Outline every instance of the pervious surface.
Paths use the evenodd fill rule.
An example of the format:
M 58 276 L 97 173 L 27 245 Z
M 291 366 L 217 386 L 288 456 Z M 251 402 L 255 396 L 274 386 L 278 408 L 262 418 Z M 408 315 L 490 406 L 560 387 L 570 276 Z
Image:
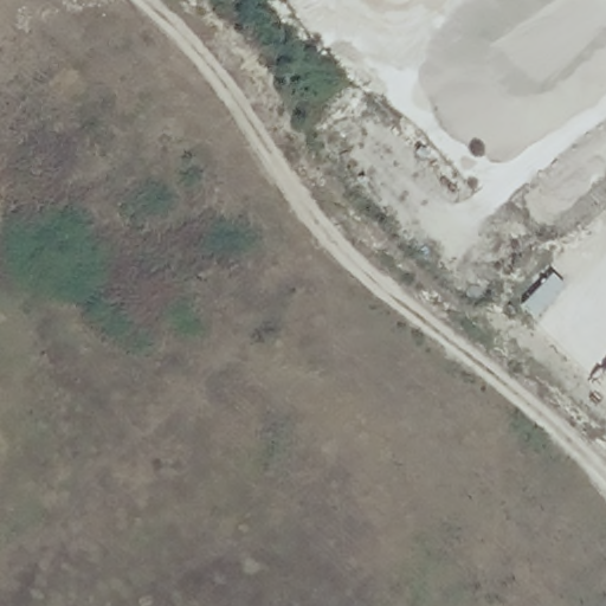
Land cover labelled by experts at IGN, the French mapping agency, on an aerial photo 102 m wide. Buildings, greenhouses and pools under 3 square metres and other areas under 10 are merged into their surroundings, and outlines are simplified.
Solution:
M 589 225 L 563 237 L 566 253 L 554 260 L 554 275 L 544 279 L 544 284 L 523 303 L 523 308 L 533 315 L 530 324 L 509 320 L 504 315 L 504 308 L 492 303 L 488 305 L 490 327 L 497 329 L 504 339 L 516 339 L 521 348 L 528 348 L 530 355 L 547 365 L 552 374 L 561 379 L 566 388 L 573 391 L 580 400 L 589 393 L 599 393 L 601 398 L 606 398 L 606 208 Z
M 412 327 L 433 339 L 447 353 L 447 357 L 457 360 L 469 372 L 481 376 L 488 386 L 492 386 L 516 407 L 537 426 L 542 426 L 549 438 L 585 469 L 585 473 L 606 497 L 606 440 L 587 440 L 578 431 L 573 431 L 535 393 L 526 391 L 521 381 L 516 381 L 495 360 L 490 360 L 481 346 L 466 341 L 443 320 L 438 320 L 428 308 L 419 305 L 402 289 L 402 284 L 383 275 L 379 267 L 374 267 L 365 256 L 360 256 L 346 241 L 341 227 L 336 227 L 331 218 L 327 218 L 320 211 L 310 192 L 296 178 L 284 154 L 275 144 L 272 135 L 267 133 L 265 123 L 258 118 L 239 85 L 232 80 L 232 76 L 213 59 L 206 45 L 199 40 L 199 36 L 161 0 L 133 0 L 142 9 L 142 14 L 147 14 L 196 64 L 204 78 L 213 85 L 213 90 L 232 111 L 237 125 L 246 135 L 251 152 L 258 154 L 263 170 L 284 192 L 291 211 L 317 237 L 320 246 L 327 249 L 376 298 L 381 298 Z
M 322 54 L 331 54 L 343 66 L 348 78 L 355 83 L 372 78 L 369 90 L 374 95 L 386 95 L 386 99 L 402 114 L 402 118 L 395 128 L 381 125 L 379 116 L 367 121 L 365 149 L 353 152 L 353 159 L 360 166 L 355 170 L 355 178 L 350 180 L 353 187 L 362 187 L 365 196 L 379 204 L 391 215 L 398 218 L 400 234 L 407 241 L 419 244 L 421 239 L 436 239 L 440 244 L 440 253 L 445 253 L 447 258 L 464 256 L 471 244 L 478 244 L 481 223 L 488 215 L 492 215 L 502 204 L 507 204 L 509 196 L 530 178 L 537 182 L 537 189 L 528 194 L 528 211 L 533 220 L 537 220 L 540 225 L 552 225 L 561 211 L 570 208 L 578 201 L 578 196 L 582 196 L 597 180 L 606 175 L 606 0 L 272 0 L 270 7 L 279 14 L 279 21 L 294 26 L 301 40 L 310 40 L 317 33 L 322 38 L 317 50 Z

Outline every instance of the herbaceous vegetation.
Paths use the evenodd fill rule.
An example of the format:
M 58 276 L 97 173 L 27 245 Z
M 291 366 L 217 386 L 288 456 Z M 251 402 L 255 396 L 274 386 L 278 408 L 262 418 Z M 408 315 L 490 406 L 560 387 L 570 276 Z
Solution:
M 374 95 L 369 90 L 372 78 L 355 83 L 329 104 L 329 114 L 322 123 L 317 123 L 322 149 L 308 154 L 305 135 L 291 125 L 294 109 L 277 92 L 272 71 L 258 62 L 258 52 L 244 43 L 241 33 L 234 31 L 232 24 L 223 21 L 213 12 L 208 0 L 161 0 L 199 36 L 199 40 L 206 45 L 213 59 L 232 76 L 232 80 L 239 85 L 258 118 L 265 123 L 267 133 L 272 135 L 275 144 L 284 154 L 296 178 L 310 192 L 320 211 L 327 218 L 331 218 L 336 227 L 341 227 L 346 241 L 360 256 L 365 256 L 374 267 L 379 267 L 383 275 L 402 284 L 402 289 L 419 305 L 428 308 L 438 320 L 443 320 L 466 341 L 481 346 L 490 360 L 495 360 L 516 381 L 521 381 L 526 391 L 535 393 L 573 431 L 578 431 L 587 440 L 606 440 L 606 398 L 601 398 L 599 393 L 589 393 L 580 400 L 573 391 L 566 388 L 561 379 L 552 374 L 547 365 L 530 355 L 528 348 L 521 348 L 516 339 L 504 339 L 497 329 L 490 327 L 488 305 L 462 305 L 457 298 L 462 291 L 481 296 L 492 279 L 499 279 L 502 294 L 492 298 L 492 303 L 504 308 L 504 315 L 509 320 L 530 324 L 533 315 L 523 308 L 523 303 L 544 284 L 544 279 L 554 275 L 554 260 L 566 253 L 563 237 L 589 225 L 606 208 L 606 175 L 597 180 L 582 196 L 578 196 L 578 201 L 570 208 L 561 211 L 552 225 L 540 225 L 537 220 L 533 220 L 528 211 L 528 194 L 537 189 L 537 182 L 530 178 L 509 196 L 507 204 L 502 204 L 492 215 L 488 215 L 481 223 L 478 244 L 471 244 L 464 256 L 447 258 L 445 253 L 440 253 L 440 244 L 436 239 L 421 239 L 419 244 L 407 241 L 400 234 L 398 218 L 391 215 L 386 223 L 379 225 L 367 215 L 357 213 L 350 199 L 343 196 L 353 187 L 350 180 L 355 178 L 355 170 L 360 166 L 353 159 L 353 152 L 365 149 L 367 121 L 379 116 L 381 125 L 395 128 L 402 118 L 402 114 L 386 99 L 386 95 Z
M 251 152 L 246 135 L 237 125 L 232 111 L 213 90 L 213 85 L 204 78 L 196 64 L 147 14 L 142 14 L 142 9 L 133 0 L 0 0 L 0 227 L 7 220 L 38 218 L 45 213 L 45 206 L 52 206 L 52 211 L 62 215 L 66 215 L 73 206 L 88 211 L 88 225 L 95 227 L 95 239 L 109 246 L 107 270 L 111 275 L 104 284 L 104 298 L 118 298 L 118 308 L 133 315 L 135 322 L 123 339 L 111 341 L 104 334 L 92 331 L 88 324 L 83 324 L 83 308 L 62 301 L 57 308 L 52 308 L 38 294 L 26 296 L 0 270 L 0 606 L 606 606 L 606 497 L 585 473 L 585 469 L 549 438 L 544 445 L 530 445 L 521 440 L 509 428 L 509 412 L 516 407 L 492 386 L 488 386 L 481 376 L 469 372 L 457 360 L 447 357 L 447 353 L 433 339 L 412 327 L 381 298 L 376 298 L 327 249 L 320 246 L 317 237 L 291 211 L 284 192 L 263 170 L 258 154 Z

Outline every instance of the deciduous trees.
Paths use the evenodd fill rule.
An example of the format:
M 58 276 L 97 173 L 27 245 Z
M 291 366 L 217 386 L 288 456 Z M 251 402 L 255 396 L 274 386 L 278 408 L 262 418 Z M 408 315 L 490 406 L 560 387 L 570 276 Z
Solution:
M 232 24 L 234 31 L 241 33 L 244 43 L 258 52 L 258 62 L 272 71 L 277 92 L 294 109 L 291 125 L 305 135 L 308 154 L 322 149 L 317 123 L 322 123 L 329 114 L 329 104 L 355 83 L 348 78 L 343 66 L 331 54 L 322 54 L 317 50 L 322 38 L 317 33 L 310 40 L 301 40 L 294 26 L 279 21 L 279 14 L 270 7 L 272 0 L 208 0 L 213 12 L 223 21 Z

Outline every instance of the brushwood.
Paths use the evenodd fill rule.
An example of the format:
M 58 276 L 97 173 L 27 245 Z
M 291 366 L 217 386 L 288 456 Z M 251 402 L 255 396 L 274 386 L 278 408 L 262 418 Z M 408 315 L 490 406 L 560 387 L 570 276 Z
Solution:
M 462 305 L 488 305 L 492 303 L 492 298 L 502 294 L 499 279 L 492 279 L 481 296 L 462 291 L 457 298 Z
M 365 196 L 362 187 L 353 187 L 343 196 L 350 199 L 357 213 L 367 215 L 379 225 L 386 223 L 391 215 L 379 204 Z
M 509 428 L 521 440 L 530 445 L 544 445 L 549 438 L 542 426 L 537 426 L 516 407 L 509 412 Z
M 95 239 L 95 227 L 88 225 L 88 211 L 73 206 L 66 215 L 62 215 L 52 211 L 52 206 L 45 206 L 45 213 L 38 218 L 7 220 L 0 227 L 0 270 L 26 296 L 38 294 L 52 308 L 57 308 L 62 301 L 83 308 L 83 324 L 88 324 L 92 331 L 104 334 L 111 341 L 123 339 L 135 322 L 133 315 L 118 308 L 118 298 L 104 298 L 104 284 L 111 275 L 107 270 L 109 246 Z

